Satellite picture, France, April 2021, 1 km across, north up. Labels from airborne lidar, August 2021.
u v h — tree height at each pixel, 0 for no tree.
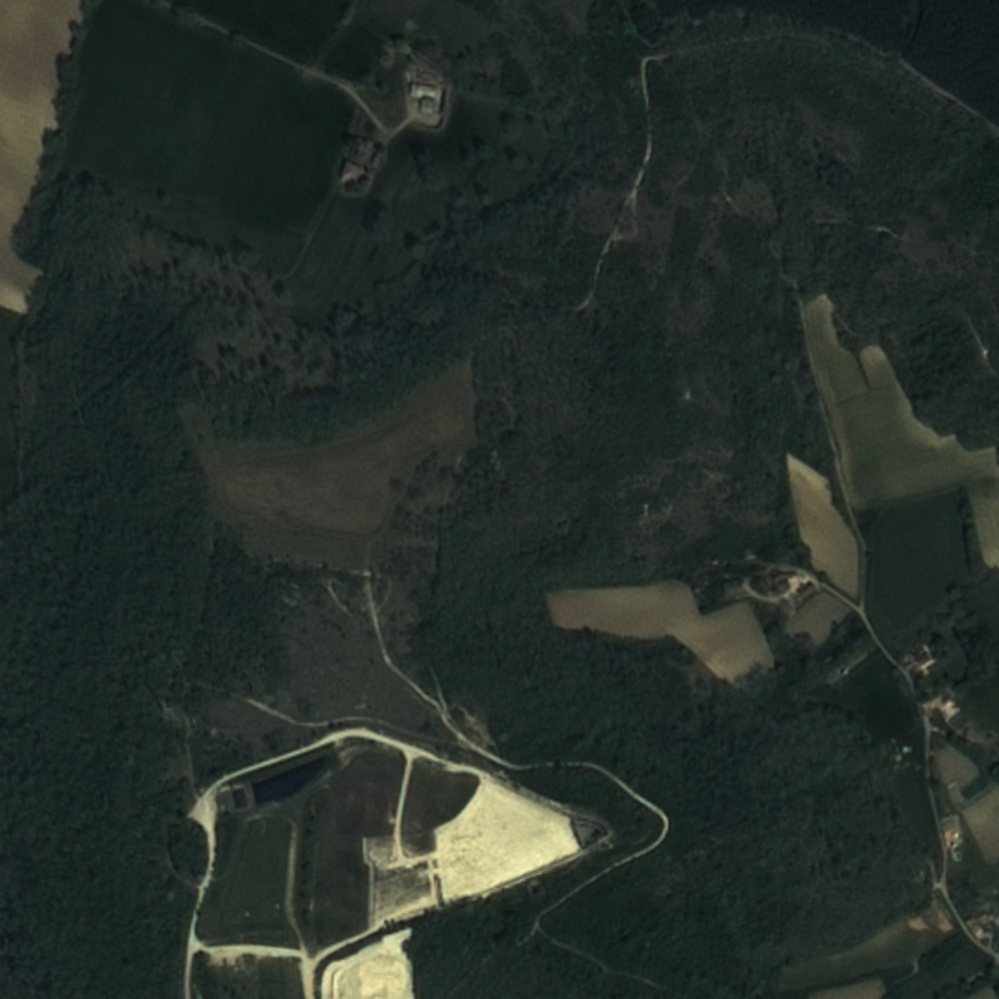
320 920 0
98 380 11
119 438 9
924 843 13
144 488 10
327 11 0
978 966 0
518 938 10
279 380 11
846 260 7
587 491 8
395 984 0
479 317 14
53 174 11
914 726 0
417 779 0
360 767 0
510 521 12
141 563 14
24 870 19
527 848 0
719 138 8
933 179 13
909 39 11
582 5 0
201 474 13
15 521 13
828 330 0
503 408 14
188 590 14
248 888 0
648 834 7
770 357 7
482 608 19
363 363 14
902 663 9
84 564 11
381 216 17
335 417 18
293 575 8
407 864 0
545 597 8
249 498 0
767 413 10
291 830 0
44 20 0
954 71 10
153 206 0
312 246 0
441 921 7
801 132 7
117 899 11
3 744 18
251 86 0
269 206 0
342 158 0
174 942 9
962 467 0
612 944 8
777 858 10
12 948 19
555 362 11
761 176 11
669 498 8
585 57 10
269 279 9
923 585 0
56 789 16
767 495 16
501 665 14
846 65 12
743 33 18
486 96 16
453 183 0
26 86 0
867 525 0
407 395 14
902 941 0
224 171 0
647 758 15
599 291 10
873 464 0
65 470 8
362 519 0
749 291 11
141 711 10
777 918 8
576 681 20
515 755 8
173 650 10
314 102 0
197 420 0
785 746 19
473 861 0
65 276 7
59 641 13
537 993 17
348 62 0
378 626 0
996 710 0
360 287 0
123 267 16
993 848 0
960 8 11
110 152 0
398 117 0
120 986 15
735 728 14
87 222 18
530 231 11
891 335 10
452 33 0
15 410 11
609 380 6
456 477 8
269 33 0
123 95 0
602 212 0
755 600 0
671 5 10
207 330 14
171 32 0
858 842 14
